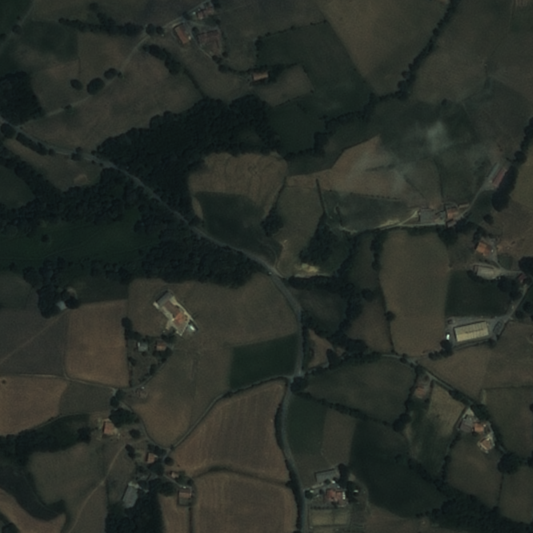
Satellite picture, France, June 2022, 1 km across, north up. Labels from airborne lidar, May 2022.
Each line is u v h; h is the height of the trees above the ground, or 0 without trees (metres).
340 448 0
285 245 0
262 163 0
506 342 0
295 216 0
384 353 0
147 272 14
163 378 0
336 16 0
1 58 0
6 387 0
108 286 0
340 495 0
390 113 0
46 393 0
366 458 0
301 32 0
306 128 0
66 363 0
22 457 13
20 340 0
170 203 17
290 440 0
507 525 15
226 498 0
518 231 0
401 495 0
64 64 0
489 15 0
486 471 0
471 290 0
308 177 0
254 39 0
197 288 0
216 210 0
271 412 0
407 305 0
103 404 0
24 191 0
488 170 0
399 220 0
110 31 13
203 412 0
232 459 0
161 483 12
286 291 0
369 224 0
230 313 0
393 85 0
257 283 0
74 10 0
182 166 20
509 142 0
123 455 0
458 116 0
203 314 0
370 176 0
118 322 0
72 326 0
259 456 0
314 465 0
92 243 0
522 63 0
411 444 0
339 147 0
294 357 0
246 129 6
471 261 0
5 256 0
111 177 9
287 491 0
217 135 9
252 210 0
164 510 0
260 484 0
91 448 0
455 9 11
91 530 0
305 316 13
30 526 0
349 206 0
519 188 0
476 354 0
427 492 0
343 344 17
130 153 13
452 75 0
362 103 0
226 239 0
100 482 0
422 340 0
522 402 0
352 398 0
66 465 0
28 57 0
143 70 0
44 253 0
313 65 0
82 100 0
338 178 0
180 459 0
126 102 0
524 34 0
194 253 9
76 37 0
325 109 0
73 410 0
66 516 0
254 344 0
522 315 12
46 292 21
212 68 0
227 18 0
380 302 0
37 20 0
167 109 0
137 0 0
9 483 0
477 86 0
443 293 0
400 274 0
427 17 0
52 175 0
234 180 0
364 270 0
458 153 0
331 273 0
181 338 0
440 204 0
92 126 0
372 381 0
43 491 0
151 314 0
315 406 0
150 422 0
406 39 0
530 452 0
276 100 0
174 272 23
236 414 0
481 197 0
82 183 0
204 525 0
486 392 0
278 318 0
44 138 0
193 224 10
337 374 0
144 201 15
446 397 0
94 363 0
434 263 0
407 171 0
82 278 0
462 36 0
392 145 0
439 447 0
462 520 6
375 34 0
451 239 7
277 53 0
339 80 0
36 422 0
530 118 0
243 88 0
